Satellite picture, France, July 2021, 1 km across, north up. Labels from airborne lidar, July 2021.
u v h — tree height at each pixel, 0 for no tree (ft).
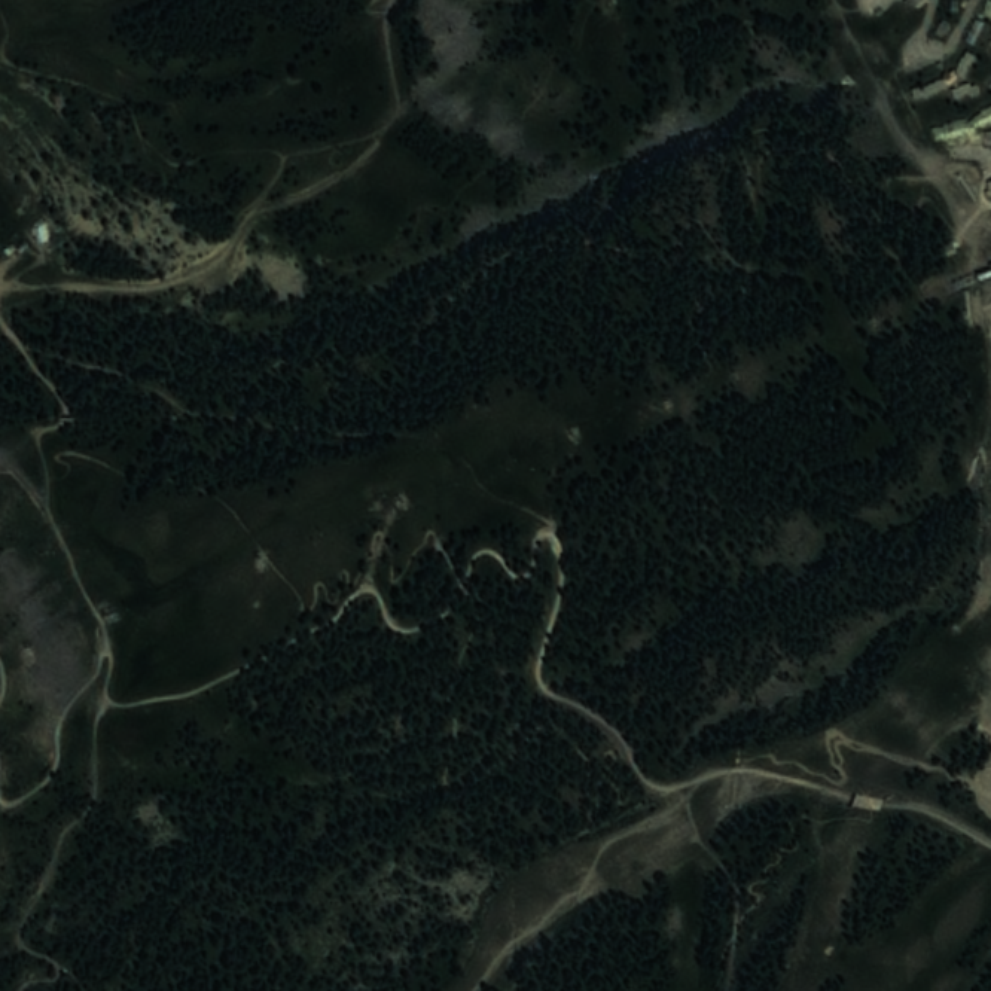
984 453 0
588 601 79
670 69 0
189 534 0
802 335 87
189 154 19
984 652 0
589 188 28
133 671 0
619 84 0
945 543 54
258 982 41
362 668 54
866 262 53
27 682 0
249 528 0
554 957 44
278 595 0
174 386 46
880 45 0
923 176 0
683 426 61
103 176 38
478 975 0
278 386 70
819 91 0
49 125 0
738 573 0
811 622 52
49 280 0
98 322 34
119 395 61
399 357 52
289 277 0
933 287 0
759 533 46
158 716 0
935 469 0
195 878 62
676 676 40
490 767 51
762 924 0
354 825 50
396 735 29
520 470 0
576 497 60
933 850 32
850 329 0
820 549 0
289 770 0
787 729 24
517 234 34
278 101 0
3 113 0
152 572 0
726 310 83
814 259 73
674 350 65
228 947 31
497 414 0
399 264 19
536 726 51
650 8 55
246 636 0
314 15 32
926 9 0
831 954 0
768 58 0
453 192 0
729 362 58
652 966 47
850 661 0
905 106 0
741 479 79
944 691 0
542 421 0
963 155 0
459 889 0
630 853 0
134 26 35
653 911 40
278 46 0
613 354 49
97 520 0
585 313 45
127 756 0
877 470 71
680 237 60
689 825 0
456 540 37
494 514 0
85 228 0
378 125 0
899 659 49
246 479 55
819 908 0
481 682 58
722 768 0
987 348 0
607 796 78
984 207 0
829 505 82
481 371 52
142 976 33
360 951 58
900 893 35
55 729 0
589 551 56
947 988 0
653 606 49
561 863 0
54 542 0
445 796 65
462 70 23
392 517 0
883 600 47
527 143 0
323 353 51
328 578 0
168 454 70
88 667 0
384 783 63
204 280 0
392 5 0
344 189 0
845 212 65
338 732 53
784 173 77
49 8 0
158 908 40
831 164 75
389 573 0
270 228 0
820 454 70
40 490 0
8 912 29
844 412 95
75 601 0
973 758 57
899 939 0
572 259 62
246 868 51
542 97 0
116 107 29
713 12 82
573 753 62
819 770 0
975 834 0
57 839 0
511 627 73
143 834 26
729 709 0
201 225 52
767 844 42
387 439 54
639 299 0
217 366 63
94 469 0
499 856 63
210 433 40
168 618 0
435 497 0
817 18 0
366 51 0
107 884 47
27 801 0
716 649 41
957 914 0
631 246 79
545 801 42
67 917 41
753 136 72
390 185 0
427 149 28
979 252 0
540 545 30
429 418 56
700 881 0
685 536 75
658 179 51
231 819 45
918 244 90
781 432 89
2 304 0
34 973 0
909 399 70
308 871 56
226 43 46
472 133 19
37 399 51
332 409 73
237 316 0
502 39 0
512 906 0
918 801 0
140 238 0
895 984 0
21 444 0
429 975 31
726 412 87
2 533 0
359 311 68
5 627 0
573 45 21
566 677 0
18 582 0
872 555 74
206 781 37
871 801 0
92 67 0
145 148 0
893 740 0
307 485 0
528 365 62
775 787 0
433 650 48
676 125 0
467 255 46
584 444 0
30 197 0
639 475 52
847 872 0
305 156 0
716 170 47
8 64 0
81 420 42
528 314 61
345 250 0
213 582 0
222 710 0
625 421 0
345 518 0
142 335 56
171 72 0
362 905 27
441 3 0
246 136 0
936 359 57
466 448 0
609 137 0
